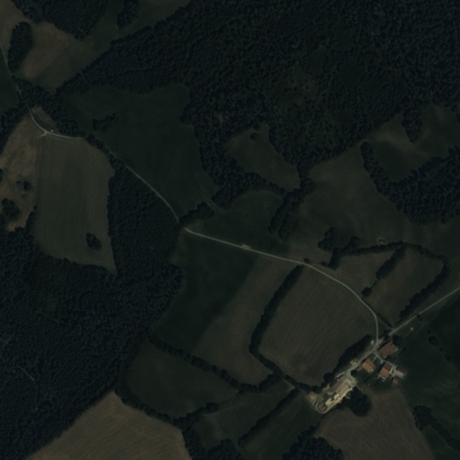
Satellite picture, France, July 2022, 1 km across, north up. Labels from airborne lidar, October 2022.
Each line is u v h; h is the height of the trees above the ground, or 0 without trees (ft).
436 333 0
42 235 0
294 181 0
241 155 0
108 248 0
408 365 0
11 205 53
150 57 66
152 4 0
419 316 33
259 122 34
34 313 65
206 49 78
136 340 55
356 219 0
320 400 0
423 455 0
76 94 57
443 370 0
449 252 0
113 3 0
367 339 41
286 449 0
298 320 0
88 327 115
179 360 0
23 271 28
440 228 0
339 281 0
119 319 114
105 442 0
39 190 0
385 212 0
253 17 34
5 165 0
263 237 0
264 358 57
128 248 34
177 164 0
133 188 44
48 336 71
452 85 72
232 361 0
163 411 0
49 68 0
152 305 102
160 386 0
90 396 25
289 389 0
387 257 0
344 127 38
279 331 0
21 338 71
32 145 0
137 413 0
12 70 35
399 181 0
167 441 0
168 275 99
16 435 96
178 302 0
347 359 41
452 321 0
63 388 76
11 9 0
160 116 0
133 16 72
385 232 0
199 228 0
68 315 18
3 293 111
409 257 0
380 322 0
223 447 43
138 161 0
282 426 0
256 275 0
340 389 0
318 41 21
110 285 52
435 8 114
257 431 56
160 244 52
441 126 0
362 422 0
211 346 0
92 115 0
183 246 0
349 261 0
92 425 0
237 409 0
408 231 0
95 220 0
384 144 0
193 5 57
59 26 49
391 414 0
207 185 0
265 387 59
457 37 105
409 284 0
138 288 100
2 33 0
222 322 0
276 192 53
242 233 0
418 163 0
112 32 0
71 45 0
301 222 0
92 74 48
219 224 0
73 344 70
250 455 0
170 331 0
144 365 0
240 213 0
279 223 65
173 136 0
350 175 0
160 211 53
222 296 0
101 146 70
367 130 50
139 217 64
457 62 112
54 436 84
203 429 0
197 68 62
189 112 67
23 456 69
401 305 0
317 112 31
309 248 0
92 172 0
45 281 28
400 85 34
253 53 52
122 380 55
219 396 0
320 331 0
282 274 0
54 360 71
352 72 20
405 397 0
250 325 0
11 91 0
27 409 74
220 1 68
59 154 0
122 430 0
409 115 82
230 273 0
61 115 92
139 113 0
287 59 44
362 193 0
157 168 0
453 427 0
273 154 0
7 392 67
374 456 0
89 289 24
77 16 74
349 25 27
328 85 23
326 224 0
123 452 0
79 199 0
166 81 48
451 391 0
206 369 65
